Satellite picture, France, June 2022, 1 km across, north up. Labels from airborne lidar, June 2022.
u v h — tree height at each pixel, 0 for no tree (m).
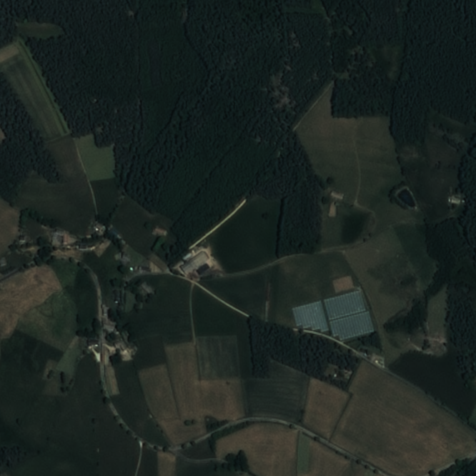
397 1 20
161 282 0
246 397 0
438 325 0
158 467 0
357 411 0
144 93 11
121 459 0
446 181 0
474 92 24
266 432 0
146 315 0
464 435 0
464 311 17
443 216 0
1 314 0
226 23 24
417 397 0
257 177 16
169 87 16
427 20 22
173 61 11
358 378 0
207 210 14
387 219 0
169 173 18
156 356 0
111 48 21
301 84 15
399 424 0
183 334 0
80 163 0
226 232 0
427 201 0
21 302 0
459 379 0
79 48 20
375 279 0
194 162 14
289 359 15
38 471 0
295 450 0
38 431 0
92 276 0
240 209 0
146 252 0
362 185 0
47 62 20
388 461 0
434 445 0
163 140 24
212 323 0
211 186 13
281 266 0
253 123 22
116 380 0
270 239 0
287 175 22
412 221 0
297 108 14
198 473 0
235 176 13
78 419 0
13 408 0
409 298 0
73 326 0
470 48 30
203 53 31
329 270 0
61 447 0
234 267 0
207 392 0
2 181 23
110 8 24
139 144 20
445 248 6
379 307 0
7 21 10
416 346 0
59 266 0
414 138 21
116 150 16
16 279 0
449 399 0
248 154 15
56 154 0
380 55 0
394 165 0
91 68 21
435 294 9
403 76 15
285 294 0
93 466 0
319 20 24
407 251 0
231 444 0
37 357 0
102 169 0
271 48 15
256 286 0
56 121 0
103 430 0
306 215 24
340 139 0
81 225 0
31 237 0
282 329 14
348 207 0
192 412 0
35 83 0
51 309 0
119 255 0
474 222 25
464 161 12
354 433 0
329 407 0
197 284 0
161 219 0
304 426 0
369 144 0
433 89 24
